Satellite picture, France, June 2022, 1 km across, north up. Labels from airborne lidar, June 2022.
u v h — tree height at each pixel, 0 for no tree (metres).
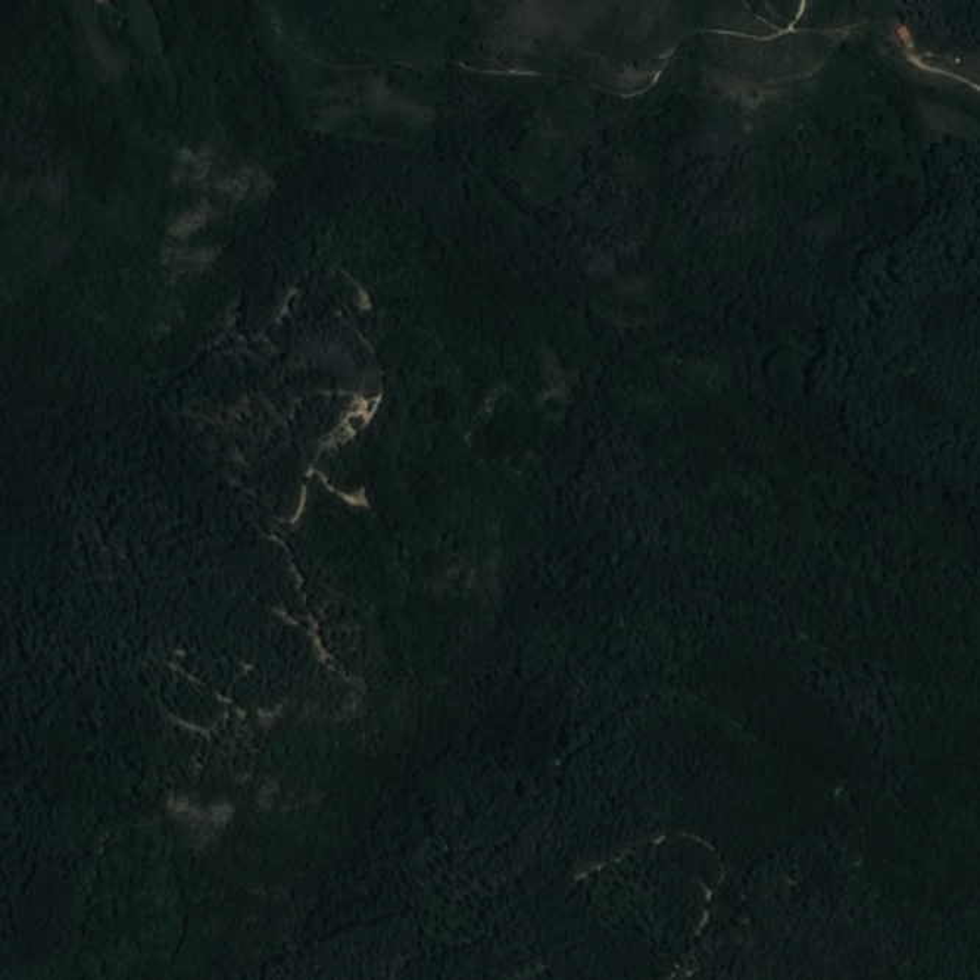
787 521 21
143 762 9
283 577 23
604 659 14
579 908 14
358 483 11
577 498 14
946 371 19
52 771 13
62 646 31
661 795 23
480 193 23
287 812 12
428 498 13
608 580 15
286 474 10
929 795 18
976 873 18
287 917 22
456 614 14
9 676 32
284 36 0
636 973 7
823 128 11
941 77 0
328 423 11
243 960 20
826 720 16
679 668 9
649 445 19
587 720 14
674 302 11
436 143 11
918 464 38
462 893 20
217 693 19
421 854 22
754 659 17
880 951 18
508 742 16
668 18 0
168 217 13
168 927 15
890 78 9
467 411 9
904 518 23
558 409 16
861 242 19
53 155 14
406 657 14
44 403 20
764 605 22
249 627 24
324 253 18
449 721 19
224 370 25
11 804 17
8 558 25
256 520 23
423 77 11
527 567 18
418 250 14
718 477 20
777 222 20
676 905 11
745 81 0
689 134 9
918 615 17
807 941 19
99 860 15
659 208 21
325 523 9
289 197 22
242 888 21
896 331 39
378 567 10
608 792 21
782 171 7
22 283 6
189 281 15
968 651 13
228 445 14
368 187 22
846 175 15
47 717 28
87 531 30
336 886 25
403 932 27
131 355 20
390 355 15
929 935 16
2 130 19
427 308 13
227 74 22
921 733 20
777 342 24
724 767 10
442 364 16
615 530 11
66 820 23
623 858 21
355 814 14
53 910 25
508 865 19
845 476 8
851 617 20
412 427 7
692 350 14
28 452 17
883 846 16
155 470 23
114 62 0
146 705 12
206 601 22
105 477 17
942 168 37
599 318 24
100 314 13
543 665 9
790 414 21
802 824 9
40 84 16
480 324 11
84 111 21
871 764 14
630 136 8
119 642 25
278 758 21
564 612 9
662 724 9
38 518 11
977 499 32
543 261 25
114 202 9
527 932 22
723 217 19
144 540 33
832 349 43
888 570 14
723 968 11
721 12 0
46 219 8
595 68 0
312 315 12
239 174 12
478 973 15
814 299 19
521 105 12
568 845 23
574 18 0
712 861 11
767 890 27
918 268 37
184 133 16
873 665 14
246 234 16
